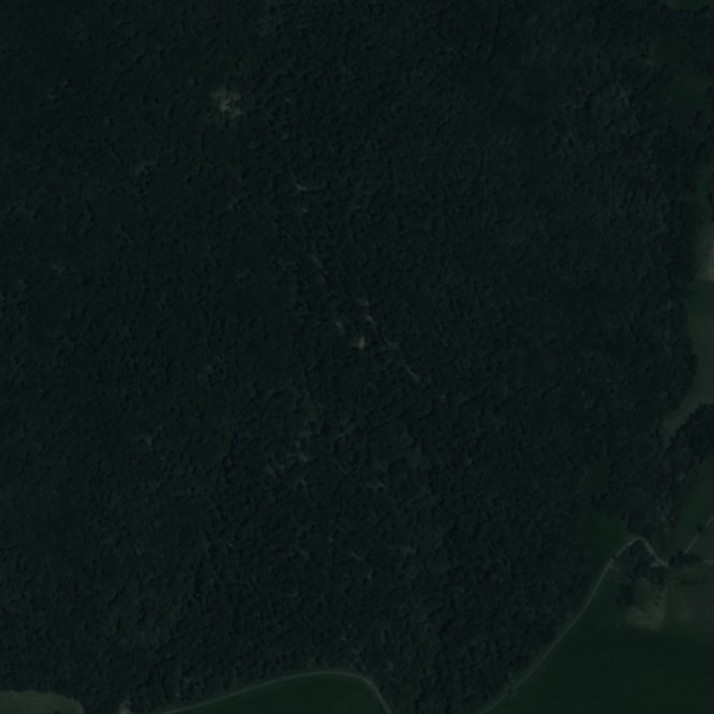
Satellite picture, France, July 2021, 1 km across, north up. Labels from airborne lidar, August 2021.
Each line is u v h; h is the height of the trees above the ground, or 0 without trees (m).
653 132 27
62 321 30
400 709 22
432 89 17
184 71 22
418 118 19
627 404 15
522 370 16
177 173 28
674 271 30
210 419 30
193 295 22
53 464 21
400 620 11
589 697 0
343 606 23
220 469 10
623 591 8
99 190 24
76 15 19
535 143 28
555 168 22
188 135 31
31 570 18
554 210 21
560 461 17
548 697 0
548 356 15
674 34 12
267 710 0
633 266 18
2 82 24
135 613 9
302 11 23
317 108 22
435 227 18
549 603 18
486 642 7
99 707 20
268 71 23
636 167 26
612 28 21
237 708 0
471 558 27
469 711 9
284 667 19
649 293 26
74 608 17
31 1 26
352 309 28
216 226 23
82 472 22
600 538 0
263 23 23
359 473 22
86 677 18
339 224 22
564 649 0
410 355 27
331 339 28
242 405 28
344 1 23
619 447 18
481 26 27
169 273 22
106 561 19
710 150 23
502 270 20
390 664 20
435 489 25
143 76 27
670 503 15
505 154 15
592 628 0
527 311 17
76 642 17
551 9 27
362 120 23
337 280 23
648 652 0
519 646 18
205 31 25
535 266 21
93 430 23
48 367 23
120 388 21
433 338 19
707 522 0
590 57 27
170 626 20
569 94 25
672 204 10
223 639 24
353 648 15
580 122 30
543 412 19
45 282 27
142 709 10
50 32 25
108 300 24
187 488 25
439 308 18
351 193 16
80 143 24
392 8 21
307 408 23
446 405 27
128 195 30
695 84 0
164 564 23
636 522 13
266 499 19
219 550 25
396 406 21
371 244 22
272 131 22
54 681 13
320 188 29
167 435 23
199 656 23
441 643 9
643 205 20
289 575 26
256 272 32
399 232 18
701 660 0
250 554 20
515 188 21
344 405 24
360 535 22
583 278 20
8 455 24
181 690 16
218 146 30
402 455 25
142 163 26
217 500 26
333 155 21
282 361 27
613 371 17
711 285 0
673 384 24
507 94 10
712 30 13
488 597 23
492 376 23
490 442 22
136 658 24
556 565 21
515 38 25
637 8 18
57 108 20
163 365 21
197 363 24
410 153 15
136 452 21
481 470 24
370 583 23
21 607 20
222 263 24
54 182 26
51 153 24
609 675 0
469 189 14
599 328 16
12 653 18
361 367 29
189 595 9
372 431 18
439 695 19
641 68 18
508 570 18
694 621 0
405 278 24
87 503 19
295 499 24
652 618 0
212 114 27
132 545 27
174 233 26
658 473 18
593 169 26
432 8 25
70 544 20
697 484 0
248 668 17
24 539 19
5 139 28
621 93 24
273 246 31
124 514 23
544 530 18
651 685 0
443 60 20
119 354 26
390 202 24
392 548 22
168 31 29
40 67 22
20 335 23
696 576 0
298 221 28
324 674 0
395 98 20
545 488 19
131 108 25
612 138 19
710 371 0
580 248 19
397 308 21
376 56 23
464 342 16
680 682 0
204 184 33
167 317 25
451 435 19
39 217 20
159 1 24
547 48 23
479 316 17
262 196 25
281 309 32
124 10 15
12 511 18
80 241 26
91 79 20
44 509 20
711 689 0
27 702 0
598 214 19
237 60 6
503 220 17
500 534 21
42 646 20
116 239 29
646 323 23
